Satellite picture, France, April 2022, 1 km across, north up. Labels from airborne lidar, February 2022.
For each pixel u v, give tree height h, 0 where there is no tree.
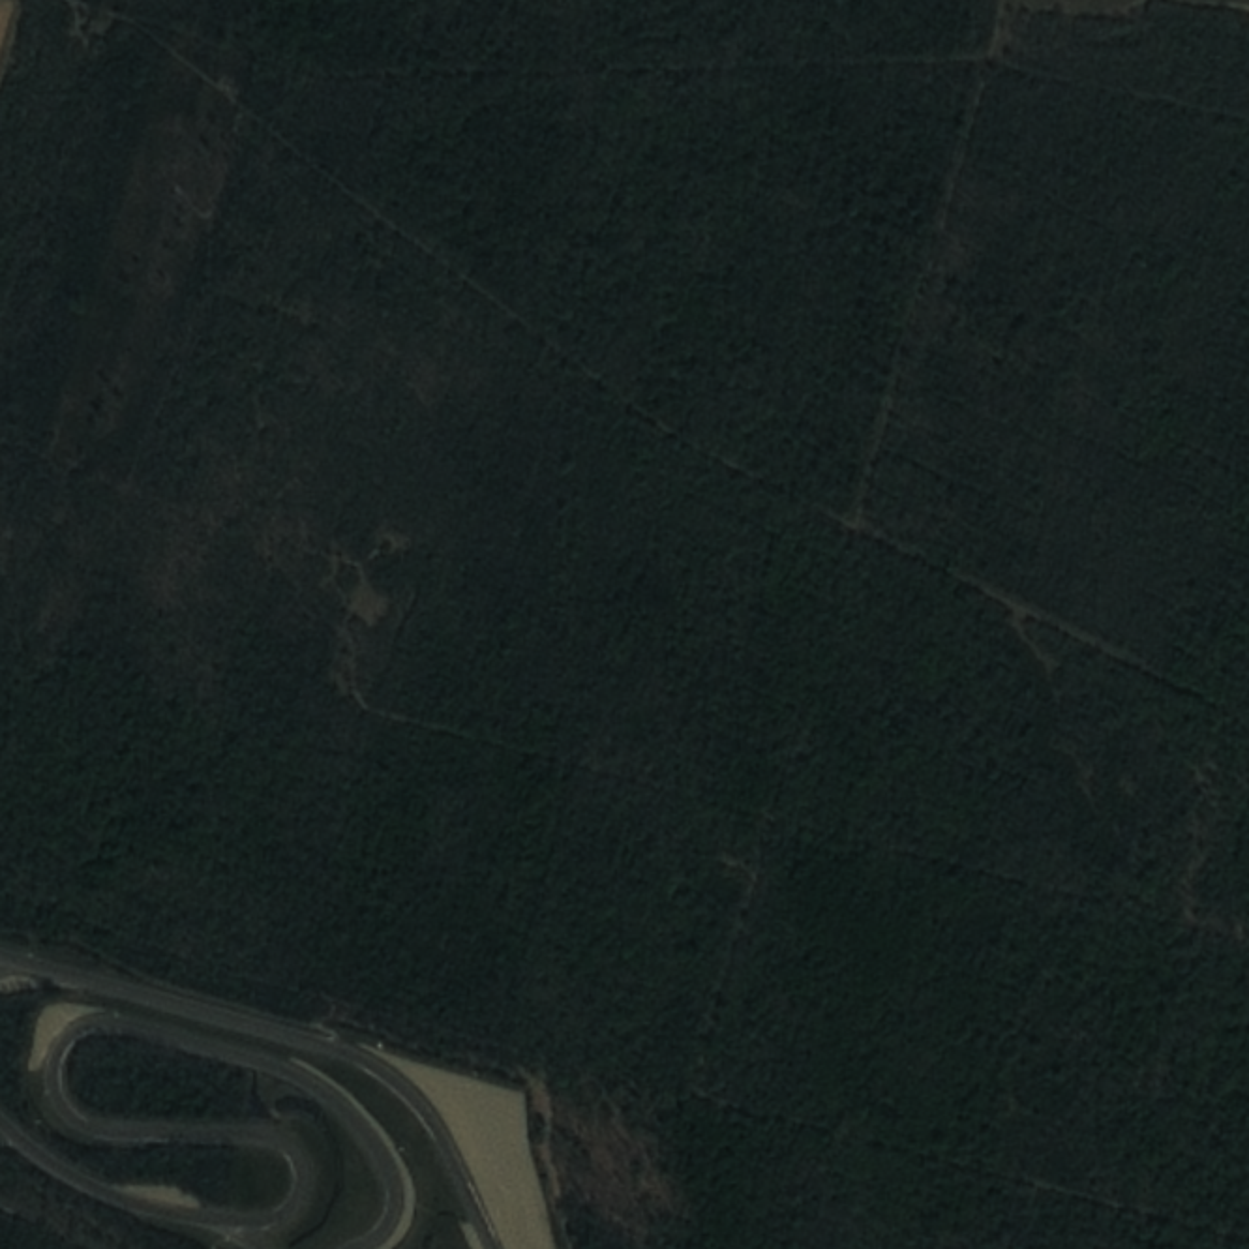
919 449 8
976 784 11
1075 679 12
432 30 13
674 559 10
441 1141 0
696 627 11
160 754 8
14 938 10
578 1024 11
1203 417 11
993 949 8
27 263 9
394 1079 0
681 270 16
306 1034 0
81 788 16
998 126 10
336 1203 0
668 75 12
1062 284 9
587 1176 12
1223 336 8
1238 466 7
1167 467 11
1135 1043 7
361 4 7
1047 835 12
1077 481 11
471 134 15
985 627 11
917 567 13
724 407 13
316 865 14
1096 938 15
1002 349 13
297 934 13
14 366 12
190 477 10
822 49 17
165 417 10
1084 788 0
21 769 15
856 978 10
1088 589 8
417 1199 0
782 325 16
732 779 13
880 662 13
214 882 14
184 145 0
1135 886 17
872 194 14
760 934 15
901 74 6
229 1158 11
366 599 0
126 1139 0
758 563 12
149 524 13
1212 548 9
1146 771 9
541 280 15
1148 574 7
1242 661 8
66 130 12
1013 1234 14
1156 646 11
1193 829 15
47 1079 0
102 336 0
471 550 7
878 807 11
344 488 12
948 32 12
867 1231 15
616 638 14
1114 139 9
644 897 14
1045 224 11
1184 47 10
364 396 14
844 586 15
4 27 0
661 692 12
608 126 17
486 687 11
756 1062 11
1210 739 15
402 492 10
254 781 13
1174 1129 18
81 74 8
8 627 13
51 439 10
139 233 0
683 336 14
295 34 15
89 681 13
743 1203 11
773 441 9
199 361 9
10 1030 15
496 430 8
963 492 11
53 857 11
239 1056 0
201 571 13
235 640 15
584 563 8
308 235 8
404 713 10
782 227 15
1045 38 9
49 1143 12
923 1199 14
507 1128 0
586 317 13
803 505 13
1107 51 9
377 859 10
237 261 6
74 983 0
